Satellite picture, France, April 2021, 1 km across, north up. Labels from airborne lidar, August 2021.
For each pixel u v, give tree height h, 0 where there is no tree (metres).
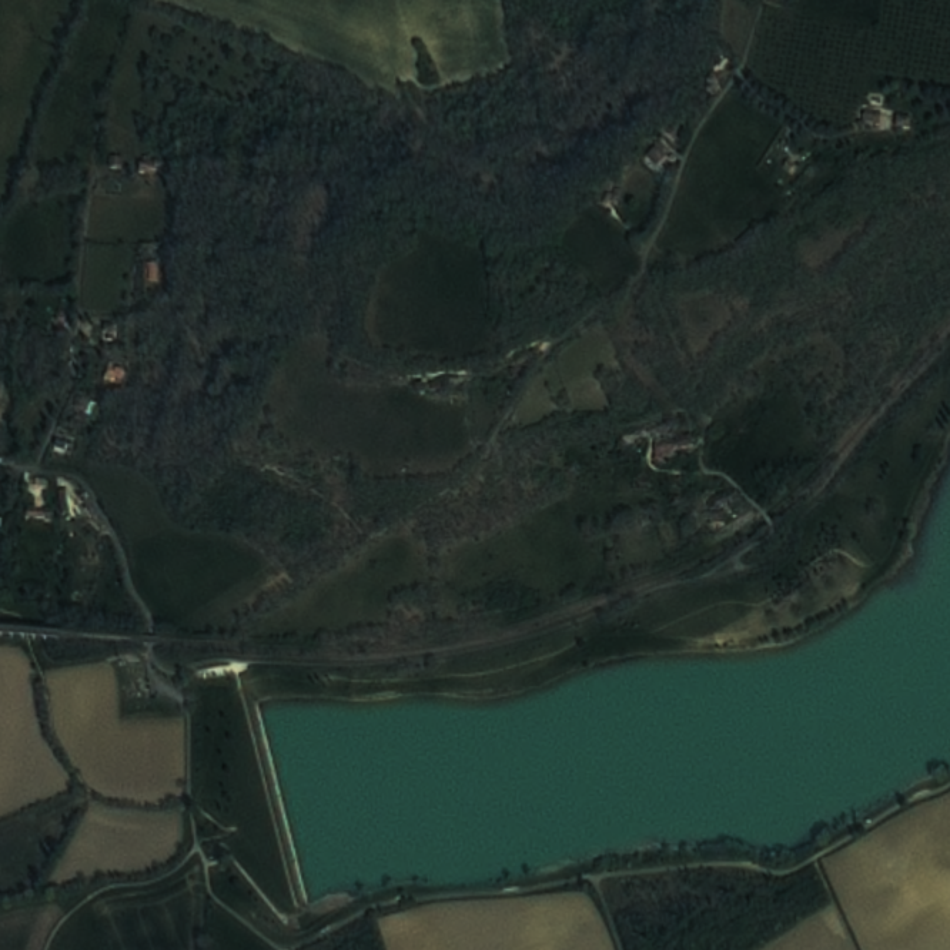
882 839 0
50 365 13
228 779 0
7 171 0
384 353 11
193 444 11
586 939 0
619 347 0
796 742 0
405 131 7
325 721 0
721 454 0
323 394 0
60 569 7
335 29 0
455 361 8
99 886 10
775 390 12
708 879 8
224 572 0
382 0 0
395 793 0
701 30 23
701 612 0
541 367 13
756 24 0
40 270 0
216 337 23
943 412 0
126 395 16
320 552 15
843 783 0
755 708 0
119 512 0
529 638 0
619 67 16
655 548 0
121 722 0
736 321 10
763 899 8
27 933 0
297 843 0
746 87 18
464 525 8
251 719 0
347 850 0
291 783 0
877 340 10
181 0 0
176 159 8
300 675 0
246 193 16
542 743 0
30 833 0
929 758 0
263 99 8
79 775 11
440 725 0
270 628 0
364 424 0
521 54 10
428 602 18
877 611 0
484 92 14
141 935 0
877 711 0
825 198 13
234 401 17
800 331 16
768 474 15
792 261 21
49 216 0
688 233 0
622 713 0
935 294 23
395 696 0
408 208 23
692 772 0
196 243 17
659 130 15
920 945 0
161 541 0
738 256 18
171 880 0
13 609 0
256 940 0
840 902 0
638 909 10
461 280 0
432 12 0
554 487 20
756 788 0
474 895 0
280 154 20
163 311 18
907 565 0
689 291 17
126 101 0
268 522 10
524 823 0
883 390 18
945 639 0
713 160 0
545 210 22
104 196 0
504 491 7
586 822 0
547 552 0
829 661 0
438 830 0
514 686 0
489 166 11
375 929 11
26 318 12
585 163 15
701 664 0
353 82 19
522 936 0
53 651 14
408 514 13
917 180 20
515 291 12
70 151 0
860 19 0
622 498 0
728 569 0
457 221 23
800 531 13
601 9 10
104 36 0
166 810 13
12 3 0
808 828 0
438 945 0
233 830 0
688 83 18
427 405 0
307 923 0
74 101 0
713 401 21
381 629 12
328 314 6
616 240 0
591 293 10
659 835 0
